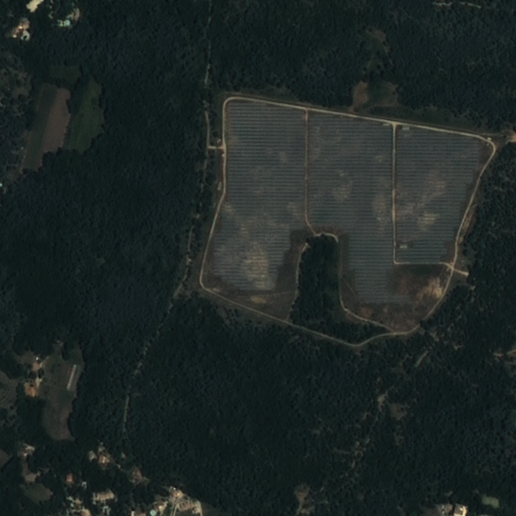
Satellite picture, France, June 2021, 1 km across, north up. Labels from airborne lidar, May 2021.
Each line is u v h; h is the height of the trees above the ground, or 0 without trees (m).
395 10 10
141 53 10
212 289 0
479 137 0
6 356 14
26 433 15
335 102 13
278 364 8
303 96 13
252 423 9
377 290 0
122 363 18
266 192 0
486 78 18
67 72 0
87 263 13
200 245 13
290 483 12
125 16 14
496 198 9
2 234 17
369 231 0
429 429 12
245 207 0
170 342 11
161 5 16
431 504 16
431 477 14
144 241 19
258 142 0
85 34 16
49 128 0
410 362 13
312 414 13
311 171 0
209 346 18
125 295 14
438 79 7
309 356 8
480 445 18
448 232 0
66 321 16
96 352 19
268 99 0
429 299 0
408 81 14
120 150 17
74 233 15
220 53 12
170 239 18
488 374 9
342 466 12
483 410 17
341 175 0
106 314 16
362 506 13
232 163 0
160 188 14
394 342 12
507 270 6
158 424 13
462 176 0
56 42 18
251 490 18
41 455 20
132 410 13
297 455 11
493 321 10
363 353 13
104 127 16
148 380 16
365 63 14
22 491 17
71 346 17
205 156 11
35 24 16
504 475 14
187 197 18
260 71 18
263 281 0
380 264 0
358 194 0
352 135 0
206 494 18
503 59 12
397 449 13
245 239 0
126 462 13
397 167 0
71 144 0
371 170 0
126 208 15
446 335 9
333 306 13
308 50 18
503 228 9
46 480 16
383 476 10
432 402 10
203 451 20
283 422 10
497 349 7
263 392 12
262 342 14
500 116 12
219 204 0
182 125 8
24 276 11
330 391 12
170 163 13
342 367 11
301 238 0
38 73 15
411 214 0
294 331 12
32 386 13
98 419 17
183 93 11
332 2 10
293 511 12
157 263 12
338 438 16
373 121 0
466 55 12
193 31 14
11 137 17
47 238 15
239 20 16
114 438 18
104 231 14
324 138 0
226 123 0
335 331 14
